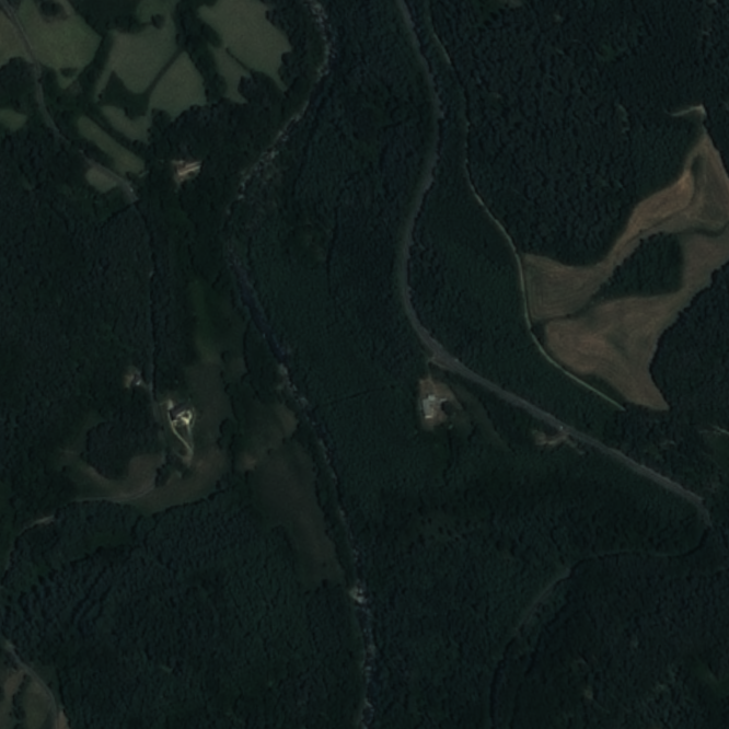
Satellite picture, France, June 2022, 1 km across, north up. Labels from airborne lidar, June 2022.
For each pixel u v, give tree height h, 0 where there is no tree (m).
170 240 31
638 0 24
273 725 16
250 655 23
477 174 16
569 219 29
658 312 0
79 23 0
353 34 20
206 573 35
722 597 31
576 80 29
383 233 22
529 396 16
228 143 19
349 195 20
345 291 19
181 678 29
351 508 11
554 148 32
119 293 31
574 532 16
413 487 13
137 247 27
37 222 31
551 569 11
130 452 16
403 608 21
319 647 17
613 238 18
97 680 25
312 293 15
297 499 0
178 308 23
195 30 26
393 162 23
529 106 29
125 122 0
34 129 6
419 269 18
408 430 17
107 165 13
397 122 16
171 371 19
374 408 17
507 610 18
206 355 0
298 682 9
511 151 29
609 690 19
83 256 28
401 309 21
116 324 22
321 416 15
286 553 18
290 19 20
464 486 11
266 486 0
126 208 6
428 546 22
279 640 16
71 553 32
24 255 31
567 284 0
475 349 20
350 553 15
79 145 17
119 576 31
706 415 20
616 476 18
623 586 23
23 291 29
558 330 0
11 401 19
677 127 22
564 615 18
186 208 17
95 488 0
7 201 22
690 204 0
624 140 25
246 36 0
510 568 16
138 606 26
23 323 23
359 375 18
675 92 22
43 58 0
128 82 0
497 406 19
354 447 19
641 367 0
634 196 24
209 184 21
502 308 18
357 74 21
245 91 19
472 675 17
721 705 16
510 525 18
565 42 30
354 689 17
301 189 20
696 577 26
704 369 19
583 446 20
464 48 18
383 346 15
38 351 30
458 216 19
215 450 0
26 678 9
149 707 20
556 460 11
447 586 15
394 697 25
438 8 20
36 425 26
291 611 21
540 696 33
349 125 27
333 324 16
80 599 30
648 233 0
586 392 19
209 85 10
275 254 17
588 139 29
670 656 24
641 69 25
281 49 0
